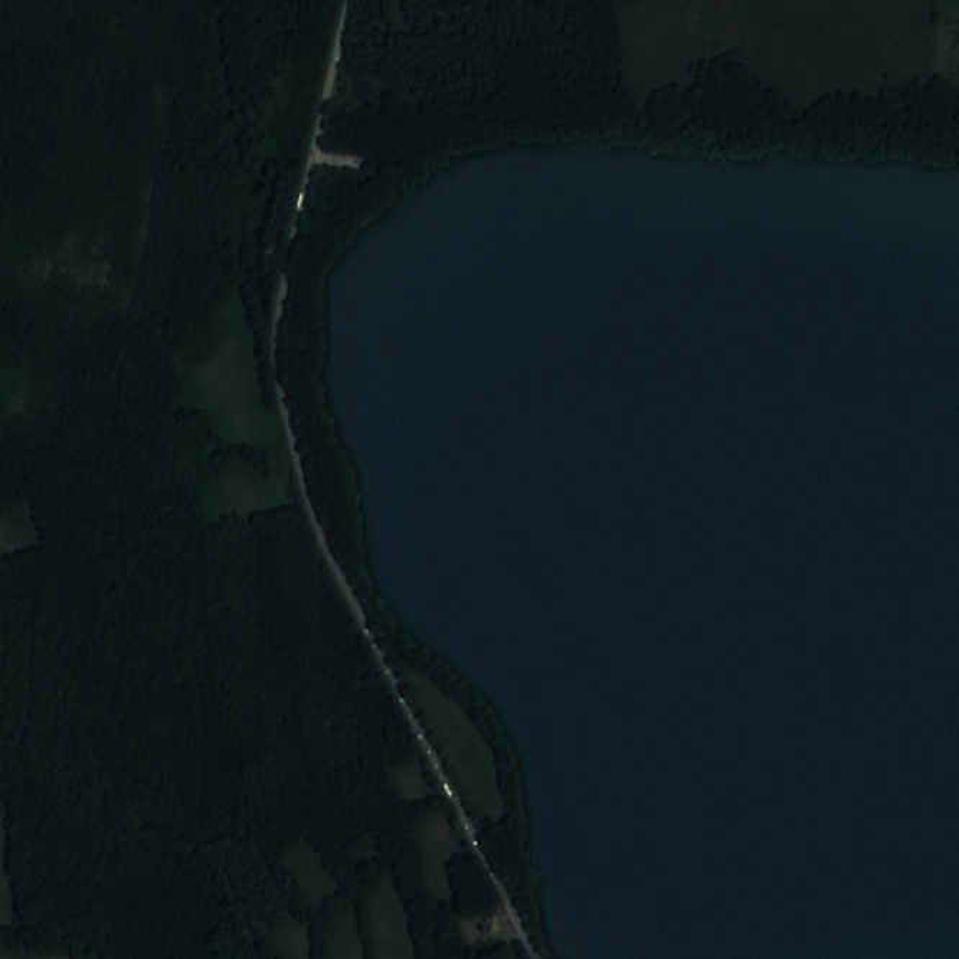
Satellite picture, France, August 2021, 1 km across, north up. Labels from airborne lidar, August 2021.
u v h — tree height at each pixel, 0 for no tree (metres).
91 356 26
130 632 17
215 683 23
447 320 0
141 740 21
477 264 0
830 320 0
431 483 0
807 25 0
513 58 19
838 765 0
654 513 0
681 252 0
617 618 0
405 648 14
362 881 16
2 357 15
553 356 0
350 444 0
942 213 0
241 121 26
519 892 14
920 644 0
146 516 26
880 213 0
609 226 0
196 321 23
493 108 18
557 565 0
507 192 0
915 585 0
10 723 13
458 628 0
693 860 0
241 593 25
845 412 0
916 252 0
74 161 17
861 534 0
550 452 0
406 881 28
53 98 19
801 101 0
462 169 0
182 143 22
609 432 0
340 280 0
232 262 26
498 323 0
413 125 19
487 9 10
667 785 0
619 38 15
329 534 10
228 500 0
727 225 0
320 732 26
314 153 0
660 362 0
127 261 9
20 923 8
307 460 17
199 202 24
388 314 0
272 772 24
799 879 0
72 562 29
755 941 0
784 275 0
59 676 23
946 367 0
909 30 0
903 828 0
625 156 0
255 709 18
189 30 22
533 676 0
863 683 0
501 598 0
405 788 0
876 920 0
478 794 0
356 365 0
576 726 0
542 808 0
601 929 0
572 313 0
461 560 0
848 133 20
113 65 15
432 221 0
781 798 0
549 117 19
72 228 8
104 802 16
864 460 0
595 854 0
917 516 0
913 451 0
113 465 24
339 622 17
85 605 25
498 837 23
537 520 0
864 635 0
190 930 23
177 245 23
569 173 0
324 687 27
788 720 0
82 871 29
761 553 0
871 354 0
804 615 0
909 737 0
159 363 26
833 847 0
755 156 9
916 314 0
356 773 20
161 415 29
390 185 20
